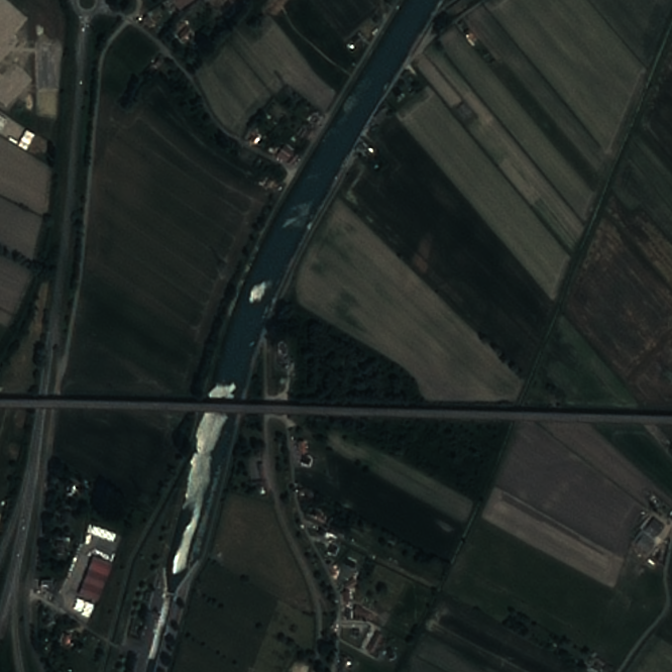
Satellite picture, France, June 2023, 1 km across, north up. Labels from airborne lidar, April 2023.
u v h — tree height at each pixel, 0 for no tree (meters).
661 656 0
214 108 0
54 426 0
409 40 0
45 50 0
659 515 0
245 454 12
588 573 0
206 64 0
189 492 0
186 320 0
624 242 0
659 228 0
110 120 0
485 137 0
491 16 0
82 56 0
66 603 0
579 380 0
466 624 0
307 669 0
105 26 0
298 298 0
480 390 0
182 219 0
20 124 0
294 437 0
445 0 0
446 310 0
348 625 0
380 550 0
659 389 0
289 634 0
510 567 0
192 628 0
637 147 0
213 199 0
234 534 0
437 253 0
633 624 0
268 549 0
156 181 0
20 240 0
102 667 0
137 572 0
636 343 0
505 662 0
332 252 0
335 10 0
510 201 0
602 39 0
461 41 0
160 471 0
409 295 0
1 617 0
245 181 0
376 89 0
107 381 0
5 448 0
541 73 0
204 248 0
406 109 0
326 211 0
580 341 0
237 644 0
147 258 0
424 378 0
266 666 0
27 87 0
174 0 0
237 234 0
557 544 0
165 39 12
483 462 6
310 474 0
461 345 0
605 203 0
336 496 0
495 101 0
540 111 0
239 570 0
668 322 0
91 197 0
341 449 0
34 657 0
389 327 0
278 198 0
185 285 0
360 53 0
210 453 0
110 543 0
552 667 0
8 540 0
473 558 0
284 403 0
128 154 0
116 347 0
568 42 0
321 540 0
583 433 0
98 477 0
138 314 0
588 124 0
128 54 0
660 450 0
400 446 6
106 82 0
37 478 0
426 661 0
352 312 0
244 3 18
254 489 7
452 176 0
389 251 0
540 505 0
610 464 0
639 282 0
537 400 0
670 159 0
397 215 0
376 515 0
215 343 10
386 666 0
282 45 0
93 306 0
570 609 0
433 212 0
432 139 0
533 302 0
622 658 0
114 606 0
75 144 0
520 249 0
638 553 0
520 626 7
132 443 0
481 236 0
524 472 0
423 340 0
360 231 0
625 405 0
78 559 0
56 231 0
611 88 0
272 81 0
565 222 0
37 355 16
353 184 0
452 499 0
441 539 0
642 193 0
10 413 0
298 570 0
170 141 0
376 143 0
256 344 0
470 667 0
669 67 0
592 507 0
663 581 0
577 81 0
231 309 0
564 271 0
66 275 0
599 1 0
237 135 0
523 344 0
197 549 0
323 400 15
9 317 0
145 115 0
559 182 0
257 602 0
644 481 0
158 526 0
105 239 0
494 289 0
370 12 0
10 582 0
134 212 0
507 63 0
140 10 0
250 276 0
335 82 0
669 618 0
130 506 10
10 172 0
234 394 0
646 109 0
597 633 0
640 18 0
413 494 0
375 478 0
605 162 0
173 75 9
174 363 0
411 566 0
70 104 0
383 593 13
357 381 14
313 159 0
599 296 0
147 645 0
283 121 8
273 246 0
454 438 11
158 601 0
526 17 0
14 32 0
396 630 0
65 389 0
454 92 0
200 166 0
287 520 0
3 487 0
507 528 0
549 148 0
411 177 0
